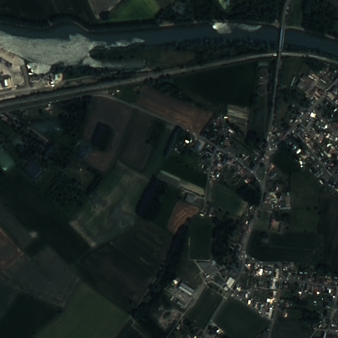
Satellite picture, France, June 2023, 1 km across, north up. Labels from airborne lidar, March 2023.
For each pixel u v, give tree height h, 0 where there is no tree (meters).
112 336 0
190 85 0
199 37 0
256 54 0
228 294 0
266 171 0
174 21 22
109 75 0
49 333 0
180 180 0
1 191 0
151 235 0
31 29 0
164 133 0
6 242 0
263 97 0
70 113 9
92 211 0
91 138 0
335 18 7
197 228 0
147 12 0
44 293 0
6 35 0
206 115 0
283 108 0
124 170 0
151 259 0
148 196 29
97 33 0
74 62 0
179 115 0
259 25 0
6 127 0
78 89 0
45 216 0
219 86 0
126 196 0
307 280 0
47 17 0
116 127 0
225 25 0
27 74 0
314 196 0
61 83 0
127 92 0
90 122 0
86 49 0
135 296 0
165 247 0
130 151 0
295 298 10
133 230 0
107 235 0
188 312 0
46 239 0
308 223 0
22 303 0
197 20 20
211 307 0
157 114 0
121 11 0
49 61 0
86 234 0
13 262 0
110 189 0
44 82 0
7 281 0
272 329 0
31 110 0
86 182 0
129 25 25
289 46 11
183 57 0
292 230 0
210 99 0
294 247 0
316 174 0
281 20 0
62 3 0
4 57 0
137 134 0
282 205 0
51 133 0
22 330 0
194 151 0
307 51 6
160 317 0
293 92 12
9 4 0
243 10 9
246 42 17
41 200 0
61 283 0
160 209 0
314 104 0
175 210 0
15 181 0
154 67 0
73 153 0
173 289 0
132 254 0
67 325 0
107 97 0
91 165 0
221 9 0
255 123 0
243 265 0
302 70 0
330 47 0
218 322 0
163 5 0
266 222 0
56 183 5
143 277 0
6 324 0
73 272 0
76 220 0
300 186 0
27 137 11
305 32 0
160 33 0
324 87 0
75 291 0
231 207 0
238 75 0
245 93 0
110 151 0
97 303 0
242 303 0
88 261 0
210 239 0
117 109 0
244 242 0
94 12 0
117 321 0
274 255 0
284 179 0
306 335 0
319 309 0
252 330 0
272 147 0
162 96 0
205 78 0
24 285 0
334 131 0
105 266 0
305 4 21
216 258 14
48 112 0
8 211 0
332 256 0
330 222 0
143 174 0
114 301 0
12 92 0
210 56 6
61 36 0
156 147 0
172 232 0
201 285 0
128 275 0
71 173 0
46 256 0
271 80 15
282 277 0
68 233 0
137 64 0
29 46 0
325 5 7
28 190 0
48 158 20
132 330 0
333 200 0
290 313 0
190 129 0
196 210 0
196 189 0
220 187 0
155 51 0
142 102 0
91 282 0
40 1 0
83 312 0
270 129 0
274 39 0
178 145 0
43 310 0
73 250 0
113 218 0
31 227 0
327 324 9
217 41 19
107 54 0
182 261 0
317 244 0
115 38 0
